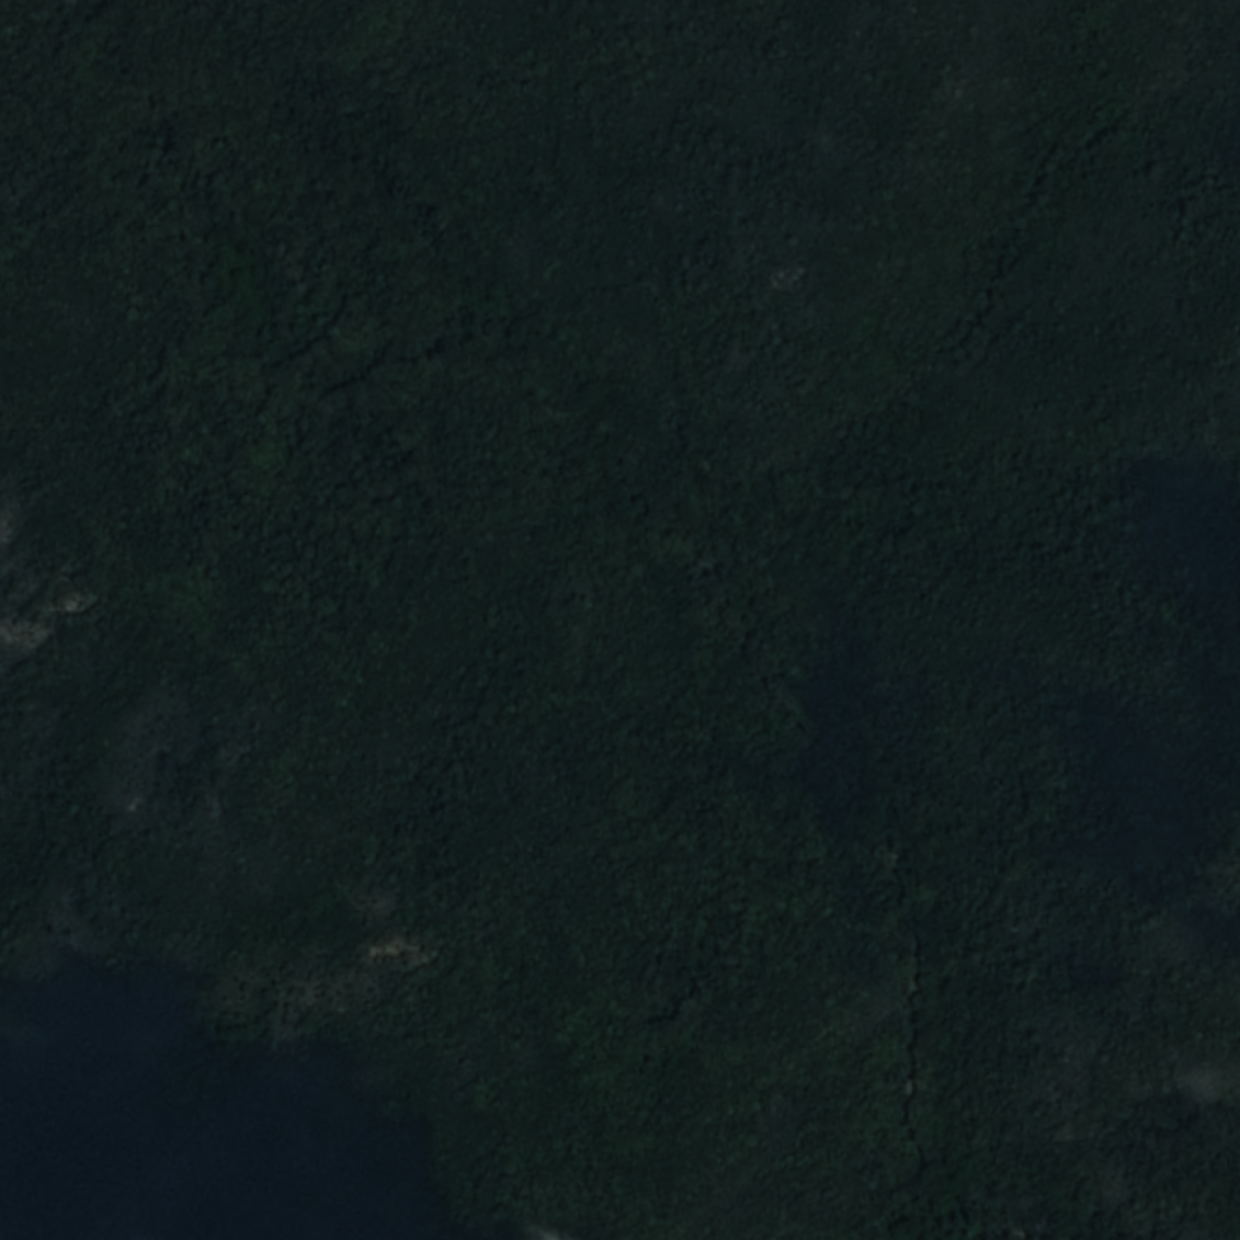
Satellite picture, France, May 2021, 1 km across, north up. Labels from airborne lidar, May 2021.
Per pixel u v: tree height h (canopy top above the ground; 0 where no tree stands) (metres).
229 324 17
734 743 12
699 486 17
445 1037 10
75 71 17
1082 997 10
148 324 7
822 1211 8
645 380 7
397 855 12
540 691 10
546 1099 8
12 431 7
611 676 12
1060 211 10
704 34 10
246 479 19
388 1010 7
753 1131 11
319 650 12
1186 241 10
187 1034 6
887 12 6
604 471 19
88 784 13
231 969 6
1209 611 9
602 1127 15
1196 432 9
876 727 13
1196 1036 10
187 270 17
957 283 7
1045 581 6
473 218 13
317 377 20
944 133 10
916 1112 20
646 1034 18
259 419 18
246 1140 10
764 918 14
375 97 19
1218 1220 8
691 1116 7
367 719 12
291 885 6
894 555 10
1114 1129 9
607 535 18
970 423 10
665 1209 10
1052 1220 12
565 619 8
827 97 9
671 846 15
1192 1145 16
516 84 13
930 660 9
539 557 7
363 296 15
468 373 19
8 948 14
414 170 16
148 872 8
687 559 17
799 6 6
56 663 10
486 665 8
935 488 14
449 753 10
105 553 15
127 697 10
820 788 14
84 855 13
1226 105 9
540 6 8
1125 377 8
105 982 7
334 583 10
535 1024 10
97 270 9
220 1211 8
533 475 14
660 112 8
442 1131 6
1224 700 6
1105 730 7
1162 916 9
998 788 12
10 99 15
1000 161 8
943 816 6
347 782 13
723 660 12
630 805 13
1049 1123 9
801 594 7
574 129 9
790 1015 8
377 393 20
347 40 12
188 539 15
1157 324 6
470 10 9
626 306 9
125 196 17
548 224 7
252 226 13
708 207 10
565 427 19
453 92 9
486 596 11
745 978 10
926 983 14
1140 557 6
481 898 9
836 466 19
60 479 9
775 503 13
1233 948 6
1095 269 7
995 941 9
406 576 8
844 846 17
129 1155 7
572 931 11
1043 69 7
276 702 9
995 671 7
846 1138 16
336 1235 6
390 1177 8
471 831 6
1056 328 11
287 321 14
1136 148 8
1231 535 17
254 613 12
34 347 6
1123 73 7
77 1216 6
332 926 8
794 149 7
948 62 8
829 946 9
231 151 13
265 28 13
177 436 15
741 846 11
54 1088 16
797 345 8
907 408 17
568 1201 12
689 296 8
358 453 13
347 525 13
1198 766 6
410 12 9
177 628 13
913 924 19
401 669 11
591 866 12
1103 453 7
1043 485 15
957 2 6
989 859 11
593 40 8
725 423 8
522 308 14
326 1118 9
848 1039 9
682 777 9
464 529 10
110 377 9
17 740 13
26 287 11
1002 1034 12
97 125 18
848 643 9
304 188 15
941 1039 22
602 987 10
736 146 13
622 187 8
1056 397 11
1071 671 7
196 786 10
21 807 6
